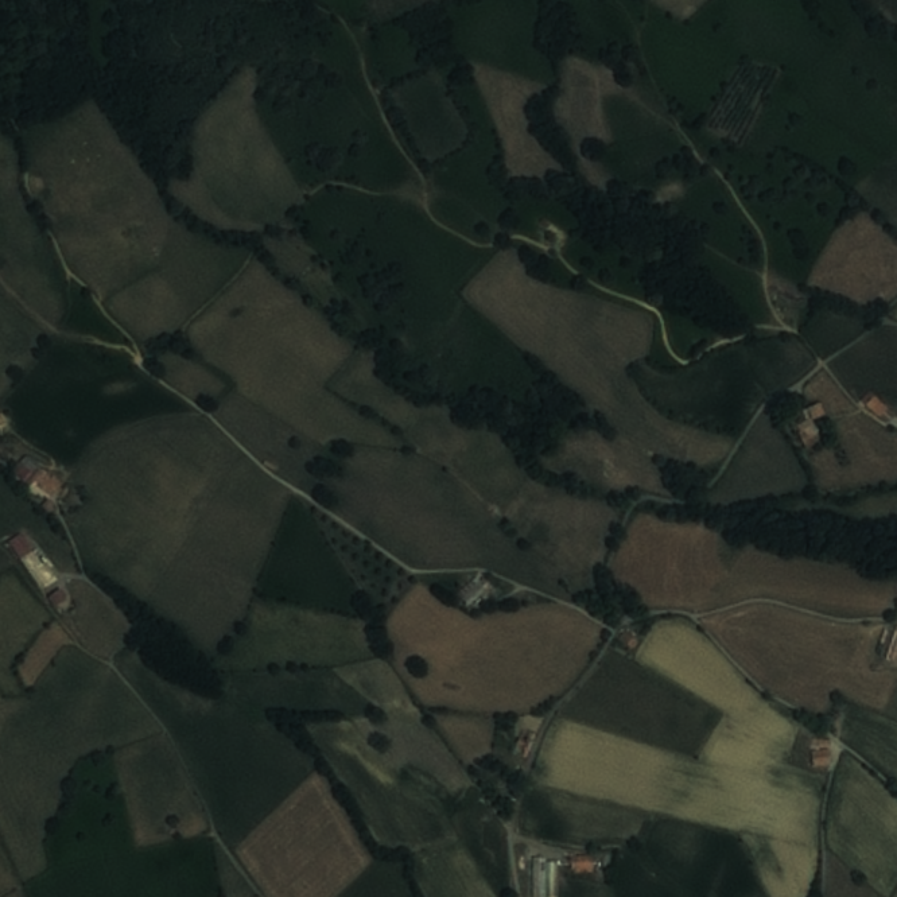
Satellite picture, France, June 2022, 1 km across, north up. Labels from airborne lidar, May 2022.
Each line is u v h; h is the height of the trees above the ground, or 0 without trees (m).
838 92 0
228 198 0
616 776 0
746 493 0
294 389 0
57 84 22
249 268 0
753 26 0
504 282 0
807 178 9
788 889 0
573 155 10
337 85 14
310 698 0
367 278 11
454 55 9
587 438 0
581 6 0
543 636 0
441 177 0
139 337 0
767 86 7
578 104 0
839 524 24
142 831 0
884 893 0
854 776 0
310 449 0
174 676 20
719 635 0
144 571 0
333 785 8
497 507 0
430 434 0
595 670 0
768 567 0
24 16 29
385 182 0
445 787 0
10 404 0
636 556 0
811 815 0
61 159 0
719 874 0
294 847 0
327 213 0
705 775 0
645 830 0
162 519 0
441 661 0
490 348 0
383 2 0
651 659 0
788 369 0
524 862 0
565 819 0
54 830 15
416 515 0
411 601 0
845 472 0
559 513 0
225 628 0
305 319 0
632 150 0
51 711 0
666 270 21
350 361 0
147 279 0
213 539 0
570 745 0
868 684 0
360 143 11
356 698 0
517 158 0
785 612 0
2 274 0
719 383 0
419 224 0
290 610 0
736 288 0
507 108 0
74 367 0
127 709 0
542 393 15
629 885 0
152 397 0
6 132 9
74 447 0
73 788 17
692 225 9
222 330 0
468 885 0
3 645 0
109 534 0
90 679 0
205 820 0
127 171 0
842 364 0
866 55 0
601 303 0
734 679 0
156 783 0
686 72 0
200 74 7
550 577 0
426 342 0
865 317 16
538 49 10
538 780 0
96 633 0
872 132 0
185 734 0
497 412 25
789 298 0
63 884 0
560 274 0
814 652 0
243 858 0
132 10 18
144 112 6
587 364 0
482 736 0
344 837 0
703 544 0
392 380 8
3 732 0
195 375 0
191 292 0
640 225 25
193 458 0
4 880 0
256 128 0
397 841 0
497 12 0
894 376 0
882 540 32
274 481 0
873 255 0
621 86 12
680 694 0
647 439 0
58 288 0
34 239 0
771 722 0
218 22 9
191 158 9
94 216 0
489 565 0
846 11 0
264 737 0
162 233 0
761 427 0
